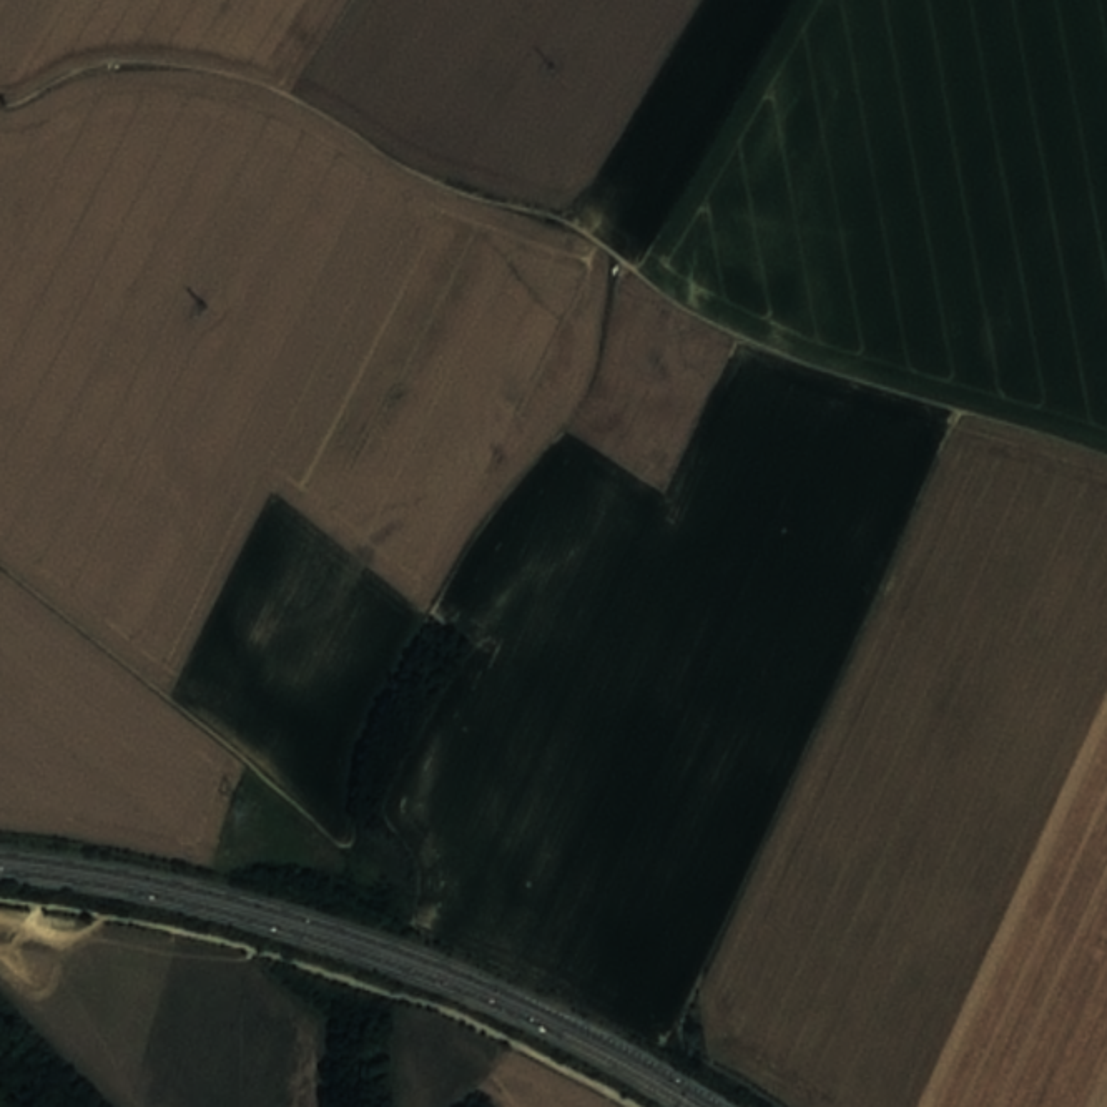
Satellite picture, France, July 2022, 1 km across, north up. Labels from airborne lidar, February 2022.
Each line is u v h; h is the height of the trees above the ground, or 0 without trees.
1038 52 0
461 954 0
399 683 14
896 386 0
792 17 0
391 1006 7
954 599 0
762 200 0
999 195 0
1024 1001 0
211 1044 0
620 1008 0
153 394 0
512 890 0
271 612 0
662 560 0
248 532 0
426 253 0
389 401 0
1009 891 0
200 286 0
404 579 0
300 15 0
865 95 0
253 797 0
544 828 0
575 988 0
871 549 0
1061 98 0
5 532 0
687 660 0
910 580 0
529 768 0
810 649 0
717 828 0
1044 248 0
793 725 0
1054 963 0
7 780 0
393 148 0
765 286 0
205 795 0
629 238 0
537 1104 0
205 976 0
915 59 0
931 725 0
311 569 0
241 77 0
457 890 0
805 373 0
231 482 0
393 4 0
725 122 0
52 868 0
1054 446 0
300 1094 0
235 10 0
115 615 0
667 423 0
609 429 0
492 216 0
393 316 0
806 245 0
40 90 0
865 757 0
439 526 0
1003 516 0
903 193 0
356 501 0
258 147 0
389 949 0
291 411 0
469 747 0
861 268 0
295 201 0
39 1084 19
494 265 0
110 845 0
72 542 0
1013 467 0
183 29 0
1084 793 0
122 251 0
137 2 0
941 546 0
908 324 0
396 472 0
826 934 0
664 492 0
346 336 0
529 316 0
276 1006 0
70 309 0
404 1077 0
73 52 0
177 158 0
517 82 0
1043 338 0
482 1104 15
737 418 0
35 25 0
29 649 0
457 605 0
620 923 0
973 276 0
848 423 0
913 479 0
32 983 0
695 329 0
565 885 0
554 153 0
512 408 0
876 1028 0
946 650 0
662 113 0
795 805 0
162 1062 0
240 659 0
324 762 0
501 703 0
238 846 0
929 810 0
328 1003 7
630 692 0
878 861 0
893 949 0
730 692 0
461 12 0
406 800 0
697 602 0
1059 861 0
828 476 0
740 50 0
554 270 0
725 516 0
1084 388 0
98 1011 0
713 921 0
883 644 0
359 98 0
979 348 0
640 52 0
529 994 0
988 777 0
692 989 0
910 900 0
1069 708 0
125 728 0
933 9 0
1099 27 0
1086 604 0
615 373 0
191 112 0
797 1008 0
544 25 0
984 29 0
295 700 0
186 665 0
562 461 0
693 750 0
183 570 0
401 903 0
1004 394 0
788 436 0
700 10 0
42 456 0
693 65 0
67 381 0
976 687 0
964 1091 0
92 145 0
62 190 0
